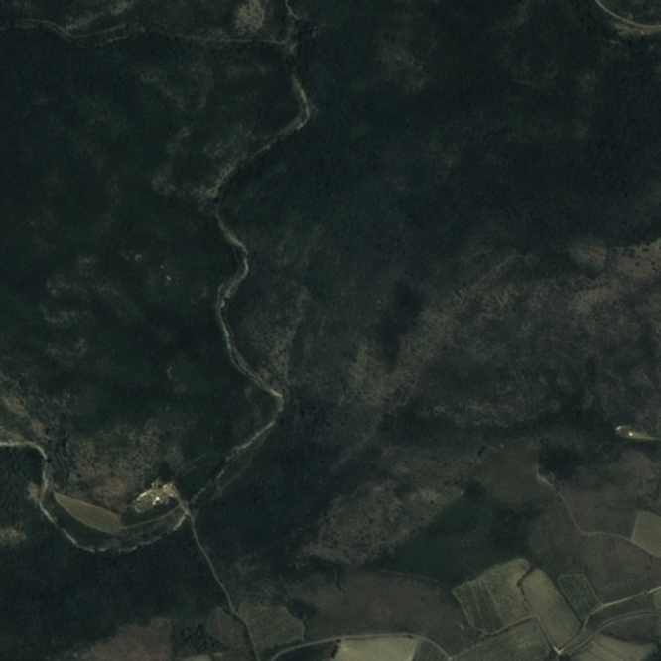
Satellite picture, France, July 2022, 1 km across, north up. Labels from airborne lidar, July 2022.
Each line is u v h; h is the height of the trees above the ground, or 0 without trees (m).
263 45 12
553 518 0
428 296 0
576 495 0
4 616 8
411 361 0
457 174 7
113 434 0
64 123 6
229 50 6
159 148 5
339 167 8
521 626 0
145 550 6
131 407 6
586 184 7
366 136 6
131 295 6
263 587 0
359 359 0
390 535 0
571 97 7
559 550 0
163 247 6
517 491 0
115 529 0
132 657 0
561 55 7
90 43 6
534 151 7
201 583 10
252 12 0
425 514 0
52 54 9
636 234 6
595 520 0
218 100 7
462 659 0
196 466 6
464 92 7
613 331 0
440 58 6
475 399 0
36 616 6
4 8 8
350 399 0
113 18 9
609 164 5
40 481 7
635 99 8
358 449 0
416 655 0
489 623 0
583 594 0
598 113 7
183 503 0
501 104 7
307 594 0
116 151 7
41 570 8
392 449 0
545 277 6
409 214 6
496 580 0
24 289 7
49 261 6
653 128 6
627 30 0
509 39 7
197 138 6
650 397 0
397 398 0
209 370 6
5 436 0
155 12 6
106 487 0
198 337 8
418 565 6
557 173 9
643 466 0
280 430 6
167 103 5
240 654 0
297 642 6
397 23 8
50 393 6
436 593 0
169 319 6
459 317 0
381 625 0
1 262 6
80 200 7
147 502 0
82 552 7
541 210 5
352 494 0
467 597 0
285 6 8
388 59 0
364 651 0
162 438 5
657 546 0
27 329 7
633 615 0
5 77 10
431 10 7
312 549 0
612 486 0
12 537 0
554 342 0
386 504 0
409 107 6
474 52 6
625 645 0
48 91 5
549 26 6
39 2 8
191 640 15
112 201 5
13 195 6
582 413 10
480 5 8
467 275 0
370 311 0
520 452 0
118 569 8
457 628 0
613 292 0
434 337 0
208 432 7
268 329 0
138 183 6
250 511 7
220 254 6
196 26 6
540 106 8
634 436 0
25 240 6
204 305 7
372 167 9
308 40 12
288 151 7
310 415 10
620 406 0
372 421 0
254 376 0
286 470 6
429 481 0
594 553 0
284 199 7
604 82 6
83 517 0
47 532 6
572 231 6
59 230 6
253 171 8
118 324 6
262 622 0
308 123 6
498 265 0
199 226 6
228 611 6
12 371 6
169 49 6
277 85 8
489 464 0
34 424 0
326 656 0
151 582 6
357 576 0
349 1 6
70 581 7
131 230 14
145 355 6
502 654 0
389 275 0
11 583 6
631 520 0
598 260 0
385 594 0
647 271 0
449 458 0
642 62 7
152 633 0
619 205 6
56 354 0
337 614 0
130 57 7
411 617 0
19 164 8
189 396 6
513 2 11
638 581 0
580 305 0
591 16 12
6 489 13
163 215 6
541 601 0
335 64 6
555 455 6
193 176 8
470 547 0
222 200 8
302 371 0
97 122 7
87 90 6
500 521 6
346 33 6
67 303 8
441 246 6
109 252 9
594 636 0
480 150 6
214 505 6
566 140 6
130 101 7
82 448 0
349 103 7
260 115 7
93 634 6
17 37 7
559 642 0
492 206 5
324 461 8
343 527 0
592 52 6
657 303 0
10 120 7
